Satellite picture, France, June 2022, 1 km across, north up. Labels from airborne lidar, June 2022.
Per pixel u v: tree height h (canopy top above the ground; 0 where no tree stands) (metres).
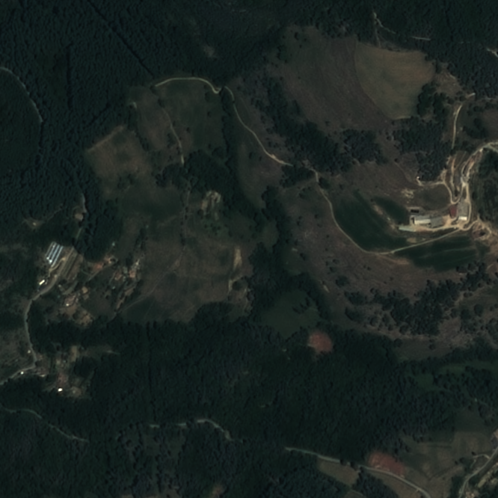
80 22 34
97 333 21
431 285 21
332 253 0
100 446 18
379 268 0
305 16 14
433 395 16
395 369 18
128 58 37
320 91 0
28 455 18
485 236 0
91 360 9
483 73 16
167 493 0
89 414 24
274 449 26
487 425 7
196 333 13
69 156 34
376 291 11
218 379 20
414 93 0
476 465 0
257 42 13
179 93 0
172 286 0
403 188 0
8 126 13
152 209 0
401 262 0
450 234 0
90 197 32
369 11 16
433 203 0
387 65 0
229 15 11
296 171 12
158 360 21
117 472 18
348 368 6
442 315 9
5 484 10
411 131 8
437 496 0
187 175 15
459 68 17
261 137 0
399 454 22
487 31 12
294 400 14
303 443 17
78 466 16
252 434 13
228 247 0
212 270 0
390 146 0
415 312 14
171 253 0
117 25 35
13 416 21
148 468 18
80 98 36
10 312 8
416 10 10
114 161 0
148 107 0
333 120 0
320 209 0
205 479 9
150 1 39
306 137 17
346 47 0
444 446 0
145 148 13
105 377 14
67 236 7
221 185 24
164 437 22
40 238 12
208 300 0
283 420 24
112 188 0
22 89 13
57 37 33
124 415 14
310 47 0
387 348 16
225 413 18
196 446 10
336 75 0
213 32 12
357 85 0
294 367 22
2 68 29
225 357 12
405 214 0
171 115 0
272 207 21
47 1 35
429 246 0
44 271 6
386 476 0
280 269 24
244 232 0
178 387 19
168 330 14
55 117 31
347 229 0
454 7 21
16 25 35
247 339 20
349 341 23
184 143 0
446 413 21
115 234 20
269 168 0
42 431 15
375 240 0
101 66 36
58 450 19
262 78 7
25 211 29
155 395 11
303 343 13
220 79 18
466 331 12
